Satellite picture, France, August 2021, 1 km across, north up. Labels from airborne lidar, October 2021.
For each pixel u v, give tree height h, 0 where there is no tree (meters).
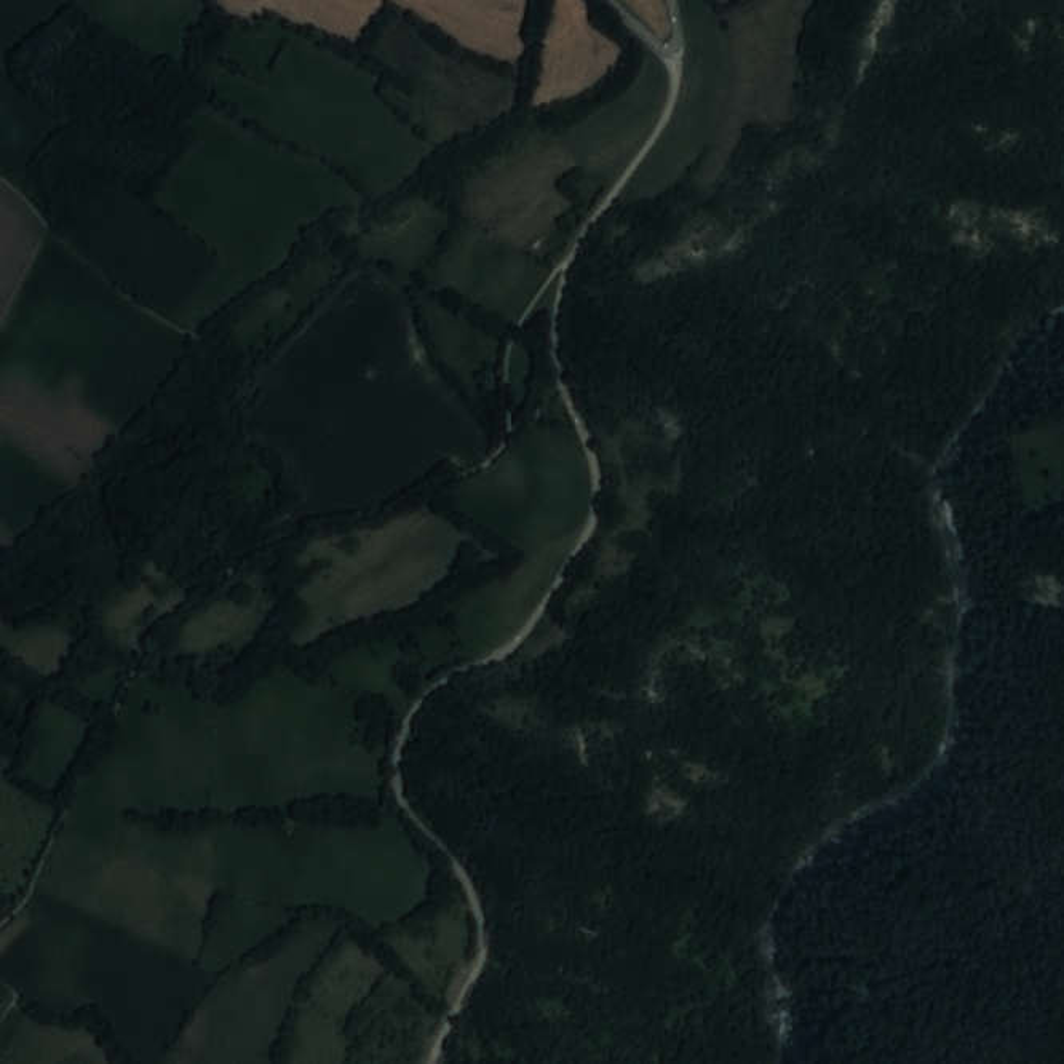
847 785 16
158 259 0
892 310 14
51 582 15
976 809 15
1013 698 19
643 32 0
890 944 19
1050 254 13
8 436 0
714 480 12
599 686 15
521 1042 16
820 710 13
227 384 17
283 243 0
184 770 0
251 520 7
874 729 10
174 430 20
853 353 12
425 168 11
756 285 10
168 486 25
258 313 0
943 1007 18
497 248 0
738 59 0
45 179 10
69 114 13
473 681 20
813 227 12
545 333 18
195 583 12
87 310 0
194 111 10
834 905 20
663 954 17
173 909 0
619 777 16
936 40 9
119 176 11
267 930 0
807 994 7
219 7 11
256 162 0
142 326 0
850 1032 19
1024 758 20
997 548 11
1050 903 12
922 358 16
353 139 0
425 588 0
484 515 0
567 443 0
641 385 15
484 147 15
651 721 13
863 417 12
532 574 0
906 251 14
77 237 0
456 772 21
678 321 21
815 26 12
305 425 0
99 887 0
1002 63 16
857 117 9
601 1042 8
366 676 0
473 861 12
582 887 14
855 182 9
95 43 20
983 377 19
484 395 12
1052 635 19
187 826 17
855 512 24
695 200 8
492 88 0
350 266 18
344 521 14
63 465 0
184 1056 0
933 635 20
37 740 19
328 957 8
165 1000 0
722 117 0
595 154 0
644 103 0
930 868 22
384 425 0
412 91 12
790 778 27
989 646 21
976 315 15
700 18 0
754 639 7
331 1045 0
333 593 0
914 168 20
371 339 0
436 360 12
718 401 17
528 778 26
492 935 14
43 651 0
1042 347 21
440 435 0
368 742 11
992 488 20
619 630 20
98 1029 19
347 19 0
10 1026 0
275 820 18
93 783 0
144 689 0
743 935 13
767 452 15
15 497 0
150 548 17
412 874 0
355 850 0
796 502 17
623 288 11
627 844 19
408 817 17
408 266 0
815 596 14
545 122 12
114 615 0
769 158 13
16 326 0
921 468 14
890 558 24
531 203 0
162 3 0
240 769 0
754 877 16
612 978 13
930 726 13
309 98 0
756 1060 16
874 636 12
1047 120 13
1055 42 6
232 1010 0
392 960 18
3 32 0
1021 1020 16
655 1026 13
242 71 12
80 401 0
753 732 13
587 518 0
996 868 16
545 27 19
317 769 0
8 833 0
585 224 13
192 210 0
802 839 17
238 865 0
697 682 16
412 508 18
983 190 15
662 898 19
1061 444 0
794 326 11
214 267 0
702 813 12
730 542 6
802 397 19
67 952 0
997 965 19
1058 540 23
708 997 12
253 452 12
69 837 0
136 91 12
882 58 10
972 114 13
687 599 9
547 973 7
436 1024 8
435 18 0
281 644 23
